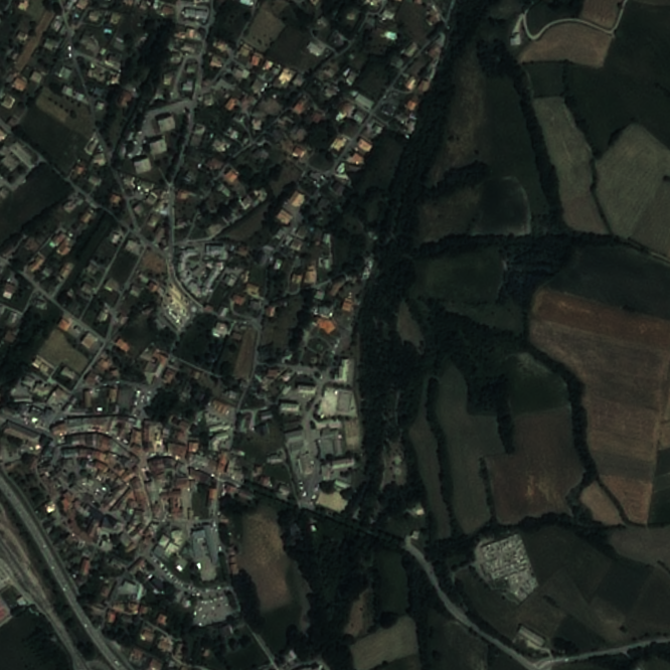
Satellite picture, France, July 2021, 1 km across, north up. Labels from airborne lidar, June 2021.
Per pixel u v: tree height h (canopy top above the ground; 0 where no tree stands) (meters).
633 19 0
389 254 12
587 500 0
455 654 0
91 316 0
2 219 0
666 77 0
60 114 0
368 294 6
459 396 0
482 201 0
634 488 0
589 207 0
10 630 0
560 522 7
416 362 14
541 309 0
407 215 18
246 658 0
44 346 0
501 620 0
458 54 15
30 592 0
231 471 0
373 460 13
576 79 0
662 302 0
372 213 0
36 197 0
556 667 0
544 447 0
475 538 6
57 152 0
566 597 0
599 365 0
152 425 0
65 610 11
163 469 0
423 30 0
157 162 9
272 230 6
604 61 0
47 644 22
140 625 6
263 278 0
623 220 0
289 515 24
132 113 6
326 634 21
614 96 0
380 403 8
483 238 13
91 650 13
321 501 0
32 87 0
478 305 6
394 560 0
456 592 14
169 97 10
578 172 0
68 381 7
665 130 0
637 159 0
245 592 34
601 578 0
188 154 10
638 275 0
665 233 0
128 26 0
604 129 0
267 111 0
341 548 9
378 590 11
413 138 12
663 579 0
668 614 0
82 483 0
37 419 0
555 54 0
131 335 0
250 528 0
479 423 0
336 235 7
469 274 0
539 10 0
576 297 0
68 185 10
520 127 0
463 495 0
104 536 8
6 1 6
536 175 0
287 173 0
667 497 0
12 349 7
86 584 9
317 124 11
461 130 0
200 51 0
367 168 9
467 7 11
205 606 0
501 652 8
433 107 6
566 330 0
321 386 0
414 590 23
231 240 9
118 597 0
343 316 0
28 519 0
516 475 0
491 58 16
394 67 12
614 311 0
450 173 15
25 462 12
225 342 9
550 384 0
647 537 0
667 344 0
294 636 24
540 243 11
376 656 0
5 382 6
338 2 9
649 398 0
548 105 0
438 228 0
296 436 0
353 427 0
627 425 0
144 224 0
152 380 0
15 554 0
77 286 9
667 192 0
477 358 7
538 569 0
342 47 8
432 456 0
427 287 0
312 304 12
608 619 0
